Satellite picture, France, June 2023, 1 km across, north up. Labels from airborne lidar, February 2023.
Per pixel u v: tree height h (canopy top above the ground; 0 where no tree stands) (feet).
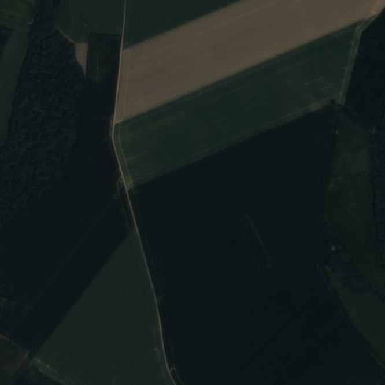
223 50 0
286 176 0
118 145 0
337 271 75
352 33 0
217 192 0
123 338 0
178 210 0
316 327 0
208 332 0
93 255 0
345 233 0
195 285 0
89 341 0
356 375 0
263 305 0
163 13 0
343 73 0
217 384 0
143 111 0
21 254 0
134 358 0
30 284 0
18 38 0
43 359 0
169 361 0
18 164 70
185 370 0
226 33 0
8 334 0
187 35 0
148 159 0
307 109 0
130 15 0
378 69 0
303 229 0
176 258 0
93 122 0
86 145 0
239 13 0
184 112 0
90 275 0
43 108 60
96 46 0
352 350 0
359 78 0
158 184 0
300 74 0
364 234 0
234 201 0
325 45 0
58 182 0
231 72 0
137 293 0
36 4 0
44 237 0
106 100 0
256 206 0
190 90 0
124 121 0
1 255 0
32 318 0
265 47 0
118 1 0
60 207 0
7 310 0
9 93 0
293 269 0
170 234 0
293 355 0
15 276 0
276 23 0
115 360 0
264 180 0
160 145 0
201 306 0
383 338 0
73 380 0
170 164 0
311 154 0
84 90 0
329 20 0
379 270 0
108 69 0
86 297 0
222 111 0
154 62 0
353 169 0
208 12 0
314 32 0
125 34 0
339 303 0
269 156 0
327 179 0
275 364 0
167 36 0
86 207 0
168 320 0
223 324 0
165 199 0
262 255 0
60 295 0
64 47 81
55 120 96
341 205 0
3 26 0
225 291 0
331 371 0
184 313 0
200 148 0
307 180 0
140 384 0
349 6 0
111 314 0
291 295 0
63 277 0
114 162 0
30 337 0
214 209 0
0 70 0
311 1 0
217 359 0
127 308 0
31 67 78
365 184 0
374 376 0
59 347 0
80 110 0
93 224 0
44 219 0
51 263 0
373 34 0
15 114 68
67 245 0
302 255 0
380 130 47
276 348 0
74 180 0
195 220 0
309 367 0
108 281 0
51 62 55
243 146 0
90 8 0
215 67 0
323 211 0
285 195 0
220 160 0
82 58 0
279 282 0
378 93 0
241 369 0
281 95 0
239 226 0
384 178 60
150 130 0
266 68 0
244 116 0
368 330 0
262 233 0
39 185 56
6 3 0
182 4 0
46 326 0
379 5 0
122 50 0
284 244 0
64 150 72
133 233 0
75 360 0
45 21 74
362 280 56
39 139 68
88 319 0
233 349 0
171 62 0
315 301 0
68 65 74
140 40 0
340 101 0
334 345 0
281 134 0
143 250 0
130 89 0
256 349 0
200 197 0
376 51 0
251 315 0
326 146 0
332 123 0
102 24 0
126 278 0
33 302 0
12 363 0
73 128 86
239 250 0
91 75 0
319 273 0
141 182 0
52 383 0
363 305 0
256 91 0
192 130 0
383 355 0
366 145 0
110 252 0
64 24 0
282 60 0
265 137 0
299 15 0
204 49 0
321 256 0
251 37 0
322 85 0
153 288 0
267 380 0
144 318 0
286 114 0
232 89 0
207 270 0
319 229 0
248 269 0
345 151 0
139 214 0
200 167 0
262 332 0
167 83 0
